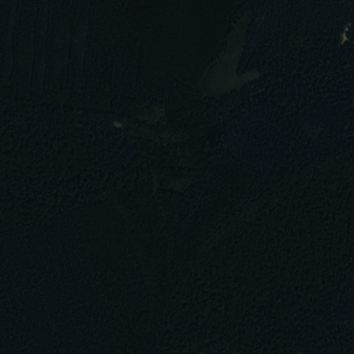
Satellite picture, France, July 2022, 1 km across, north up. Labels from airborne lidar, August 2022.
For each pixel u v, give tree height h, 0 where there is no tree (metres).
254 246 20
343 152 22
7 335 25
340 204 25
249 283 23
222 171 20
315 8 15
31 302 23
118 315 14
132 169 33
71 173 21
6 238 24
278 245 24
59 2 20
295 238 24
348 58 17
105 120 17
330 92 24
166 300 16
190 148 13
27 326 19
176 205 29
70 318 18
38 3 18
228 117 32
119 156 27
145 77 12
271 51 14
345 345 13
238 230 18
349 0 17
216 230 21
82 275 21
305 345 23
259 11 15
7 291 16
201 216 26
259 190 28
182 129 9
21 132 28
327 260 25
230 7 13
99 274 15
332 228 24
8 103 21
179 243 23
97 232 15
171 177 13
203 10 17
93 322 20
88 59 20
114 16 19
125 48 15
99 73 15
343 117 20
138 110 11
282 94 24
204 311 25
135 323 17
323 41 17
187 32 13
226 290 21
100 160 31
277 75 21
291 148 20
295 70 16
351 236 24
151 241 23
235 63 0
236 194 25
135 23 11
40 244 19
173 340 25
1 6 20
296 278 24
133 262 17
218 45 15
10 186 30
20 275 23
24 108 23
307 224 18
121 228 16
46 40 20
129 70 18
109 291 16
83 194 25
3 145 12
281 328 15
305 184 18
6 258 17
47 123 23
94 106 16
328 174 18
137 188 20
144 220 23
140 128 16
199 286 15
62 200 29
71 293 17
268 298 12
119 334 16
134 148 36
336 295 24
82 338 25
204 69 15
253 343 27
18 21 21
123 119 22
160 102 20
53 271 18
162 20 13
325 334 11
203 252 16
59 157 30
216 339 27
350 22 12
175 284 21
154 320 24
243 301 23
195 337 27
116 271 15
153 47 11
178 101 9
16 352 22
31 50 14
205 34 15
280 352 23
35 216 25
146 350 21
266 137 38
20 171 28
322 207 23
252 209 12
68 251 18
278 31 20
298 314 24
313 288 28
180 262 19
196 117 21
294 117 22
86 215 18
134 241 22
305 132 22
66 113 24
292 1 14
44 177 30
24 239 28
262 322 26
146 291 23
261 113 17
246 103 20
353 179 7
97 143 29
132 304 18
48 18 23
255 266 21
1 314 18
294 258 21
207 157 14
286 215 23
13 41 21
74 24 21
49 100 10
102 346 23
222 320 24
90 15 19
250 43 24
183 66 11
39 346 24
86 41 15
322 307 28
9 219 24
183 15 12
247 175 24
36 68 21
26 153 29
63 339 24
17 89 16
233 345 31
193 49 14
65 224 18
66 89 10
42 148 31
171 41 12
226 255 23
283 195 19
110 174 32
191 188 20
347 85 22
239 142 36
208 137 13
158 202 26
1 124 24
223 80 0
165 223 25
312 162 32
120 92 12
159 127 11
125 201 27
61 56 17
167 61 11
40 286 21
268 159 28
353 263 25
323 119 25
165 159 15
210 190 27
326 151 28
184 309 19
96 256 18
